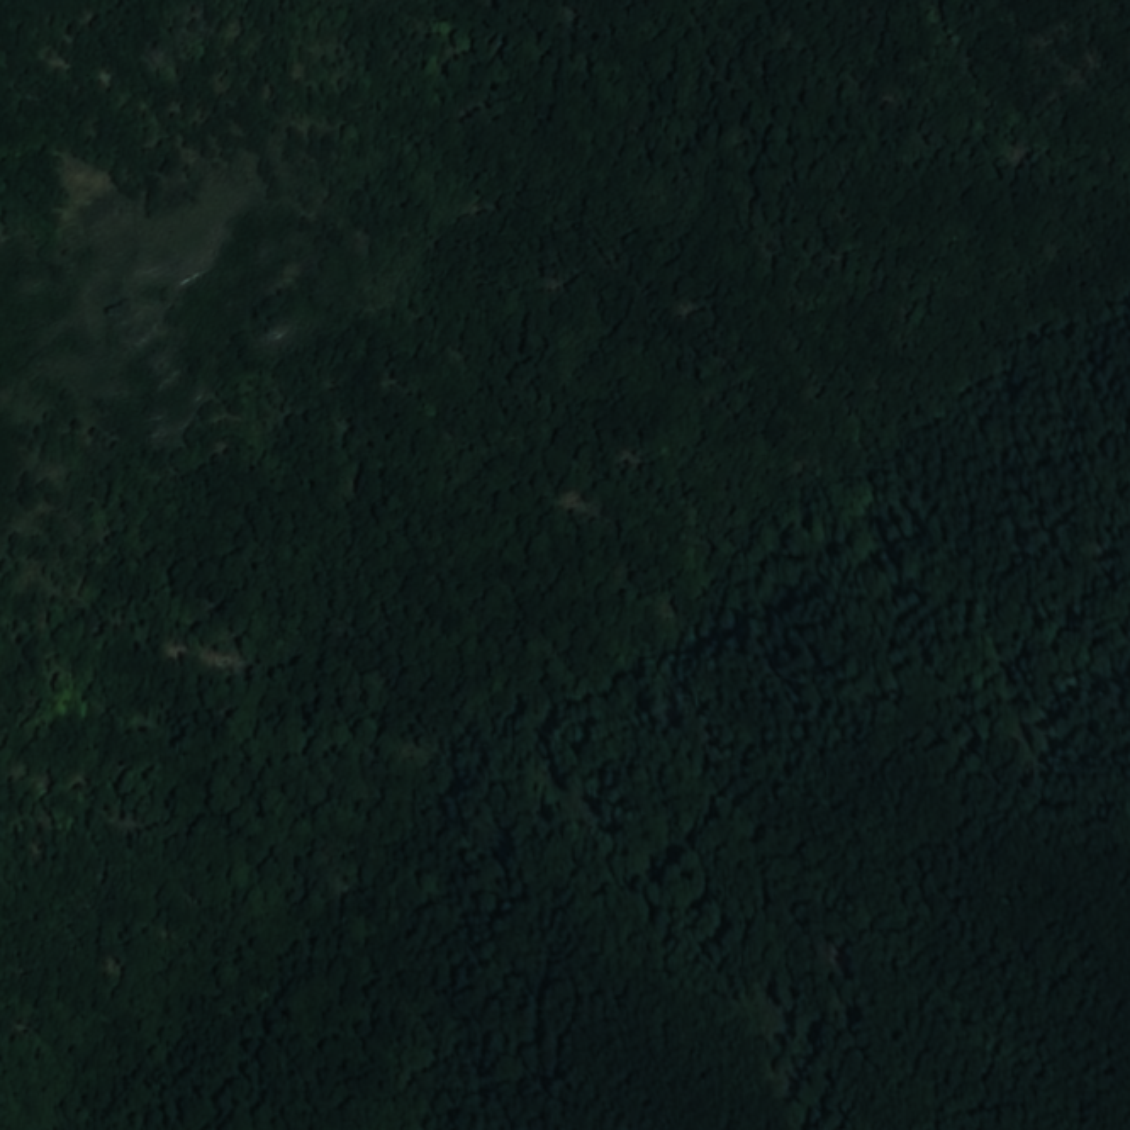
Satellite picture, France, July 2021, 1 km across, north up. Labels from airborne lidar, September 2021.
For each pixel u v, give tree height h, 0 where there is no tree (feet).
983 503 58
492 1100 83
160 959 99
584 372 77
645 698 74
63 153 53
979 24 61
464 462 83
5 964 74
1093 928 73
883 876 31
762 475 92
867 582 129
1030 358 75
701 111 51
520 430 89
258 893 82
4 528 19
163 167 62
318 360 52
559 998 103
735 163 94
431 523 79
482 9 120
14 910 53
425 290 77
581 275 44
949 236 57
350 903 95
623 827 117
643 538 107
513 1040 112
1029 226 64
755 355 71
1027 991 72
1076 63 56
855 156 74
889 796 54
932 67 81
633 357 98
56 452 61
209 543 100
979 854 68
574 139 95
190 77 67
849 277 121
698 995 116
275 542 79
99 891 85
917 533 91
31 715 84
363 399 88
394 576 95
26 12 53
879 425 62
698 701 126
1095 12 42
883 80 114
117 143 71
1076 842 87
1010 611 120
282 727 85
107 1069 84
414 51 81
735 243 88
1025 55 58
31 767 58
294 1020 94
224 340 30
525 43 111
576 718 91
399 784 75
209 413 74
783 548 33
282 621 101
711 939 131
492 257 77
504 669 88
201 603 100
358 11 32
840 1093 106
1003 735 89
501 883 62
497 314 93
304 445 78
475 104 113
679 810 77
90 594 67
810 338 94
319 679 109
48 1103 123
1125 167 82
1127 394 88
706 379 110
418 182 41
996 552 89
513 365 102
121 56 61
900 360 64
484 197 105
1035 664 127
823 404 100
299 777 110
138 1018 34
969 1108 88
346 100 71
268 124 55
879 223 66
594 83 115
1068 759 45
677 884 118
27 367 26
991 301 81
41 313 17
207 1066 97
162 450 46
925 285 67
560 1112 106
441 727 94
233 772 112
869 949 108
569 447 95
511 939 102
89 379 0
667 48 93
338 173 71
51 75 46
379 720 62
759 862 71
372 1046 76
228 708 127
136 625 53
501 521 83
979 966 47
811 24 32
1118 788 96
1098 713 49
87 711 94
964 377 95
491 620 115
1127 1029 61
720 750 68
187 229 0
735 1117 74
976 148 66
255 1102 54
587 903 91
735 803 70
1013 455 79
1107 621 97
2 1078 94
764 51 93
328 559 61
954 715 113
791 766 55
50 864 80
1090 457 77
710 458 78
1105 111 57
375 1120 68
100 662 64
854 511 91
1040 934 70
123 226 0
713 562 96
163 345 23
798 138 84
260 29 69
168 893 113
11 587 89
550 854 133
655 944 111
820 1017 102
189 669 117
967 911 65
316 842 36
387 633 25
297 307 75
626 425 73
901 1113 117
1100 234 68
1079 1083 94
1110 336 90
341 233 60
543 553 126
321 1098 83
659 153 105
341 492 93
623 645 102
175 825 100
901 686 88
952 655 132
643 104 101
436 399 103
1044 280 66
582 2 118
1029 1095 96
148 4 71
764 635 74
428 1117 60
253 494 95
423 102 62
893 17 77
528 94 100
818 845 58
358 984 90
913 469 79
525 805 108
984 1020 67
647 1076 107
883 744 53
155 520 62
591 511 17
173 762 114
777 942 111
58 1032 86
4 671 54
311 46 53
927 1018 76
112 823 109
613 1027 92
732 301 87
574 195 91
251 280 21
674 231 79
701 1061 91
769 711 73
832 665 70
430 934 79
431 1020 78
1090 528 96
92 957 99
